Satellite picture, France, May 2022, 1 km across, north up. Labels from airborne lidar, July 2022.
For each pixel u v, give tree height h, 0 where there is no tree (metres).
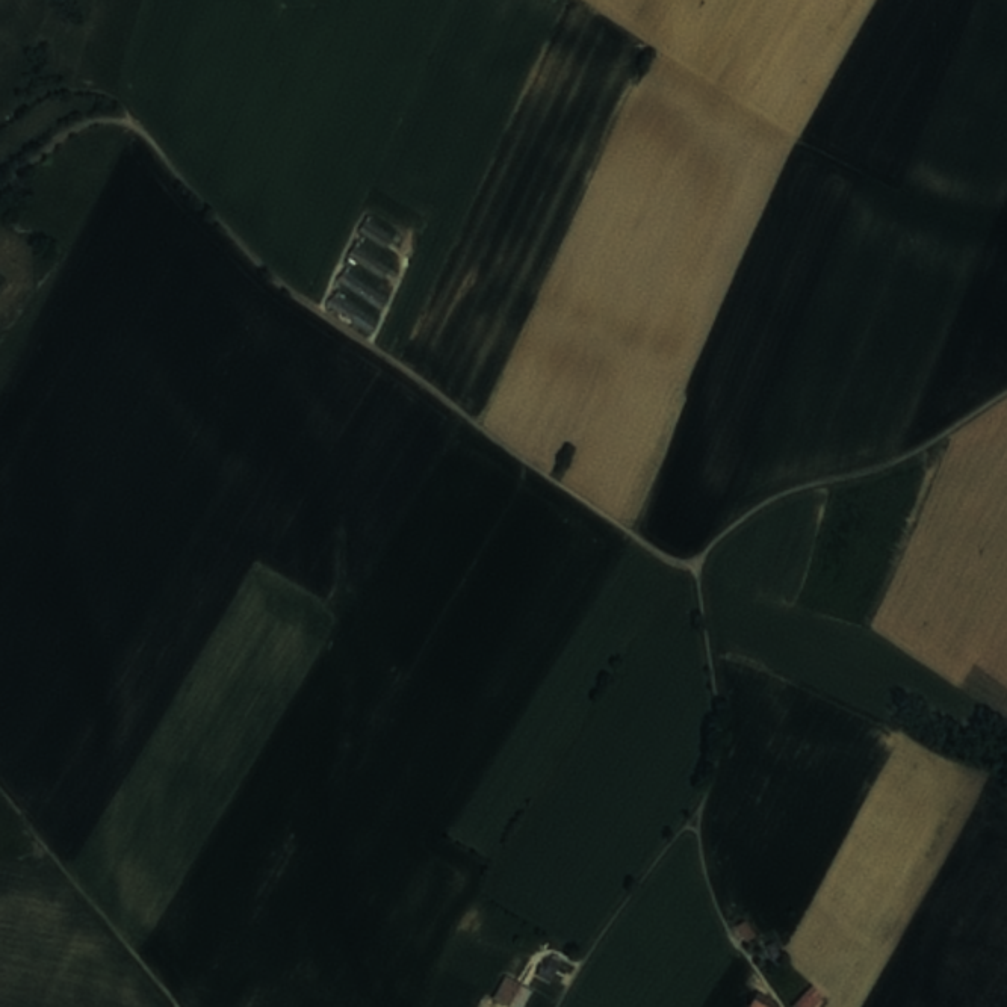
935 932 0
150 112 0
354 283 0
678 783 0
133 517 0
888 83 0
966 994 0
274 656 0
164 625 0
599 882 0
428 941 0
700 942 0
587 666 0
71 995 0
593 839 0
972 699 0
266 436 0
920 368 0
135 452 0
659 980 0
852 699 0
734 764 0
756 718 0
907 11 0
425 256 0
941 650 0
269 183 0
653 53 10
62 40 0
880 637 0
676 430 0
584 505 0
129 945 0
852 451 0
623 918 0
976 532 0
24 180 18
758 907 0
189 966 0
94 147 0
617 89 0
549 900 0
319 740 0
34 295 0
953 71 0
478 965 0
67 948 0
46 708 0
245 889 0
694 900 0
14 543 0
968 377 0
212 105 0
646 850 0
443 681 0
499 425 0
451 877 0
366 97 0
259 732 0
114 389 0
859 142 0
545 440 0
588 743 0
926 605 0
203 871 0
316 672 0
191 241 0
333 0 0
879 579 0
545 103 0
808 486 0
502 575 0
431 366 0
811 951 0
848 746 0
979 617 0
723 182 0
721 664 0
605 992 0
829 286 0
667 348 0
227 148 0
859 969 0
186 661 0
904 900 0
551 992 0
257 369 0
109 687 0
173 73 0
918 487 0
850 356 0
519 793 0
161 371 0
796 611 0
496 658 0
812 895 0
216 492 0
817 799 0
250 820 0
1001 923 0
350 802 0
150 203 0
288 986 0
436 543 0
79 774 0
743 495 0
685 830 0
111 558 0
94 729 0
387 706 0
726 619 0
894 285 0
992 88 0
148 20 0
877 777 0
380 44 0
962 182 0
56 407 0
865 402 0
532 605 0
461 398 0
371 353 0
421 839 0
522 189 0
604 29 0
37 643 0
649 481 0
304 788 0
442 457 0
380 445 0
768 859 0
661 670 0
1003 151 0
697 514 0
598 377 0
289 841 0
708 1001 0
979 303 0
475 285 0
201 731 0
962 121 0
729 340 0
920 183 0
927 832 0
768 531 0
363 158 0
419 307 0
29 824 0
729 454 0
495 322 0
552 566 0
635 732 0
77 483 0
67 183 0
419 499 0
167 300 0
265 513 0
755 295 0
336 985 0
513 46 0
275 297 0
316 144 0
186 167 0
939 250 0
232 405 0
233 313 0
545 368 0
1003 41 0
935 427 0
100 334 0
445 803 0
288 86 0
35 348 0
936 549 0
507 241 0
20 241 0
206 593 0
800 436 0
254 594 0
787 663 0
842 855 0
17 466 0
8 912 0
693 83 0
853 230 0
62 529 0
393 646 0
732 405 0
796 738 0
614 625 0
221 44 0
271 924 0
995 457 0
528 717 0
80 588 0
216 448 0
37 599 0
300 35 0
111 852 0
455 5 0
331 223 0
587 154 0
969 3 0
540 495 0
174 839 0
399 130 0
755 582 0
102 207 0
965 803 0
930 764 0
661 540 0
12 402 0
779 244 0
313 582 0
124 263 0
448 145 0
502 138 0
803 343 0
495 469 0
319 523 0
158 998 0
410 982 0
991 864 0
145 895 0
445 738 0
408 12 0
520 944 6
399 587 0
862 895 0
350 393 0
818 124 0
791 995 0
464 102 0
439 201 0
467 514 0
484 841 0
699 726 0
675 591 0
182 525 0
